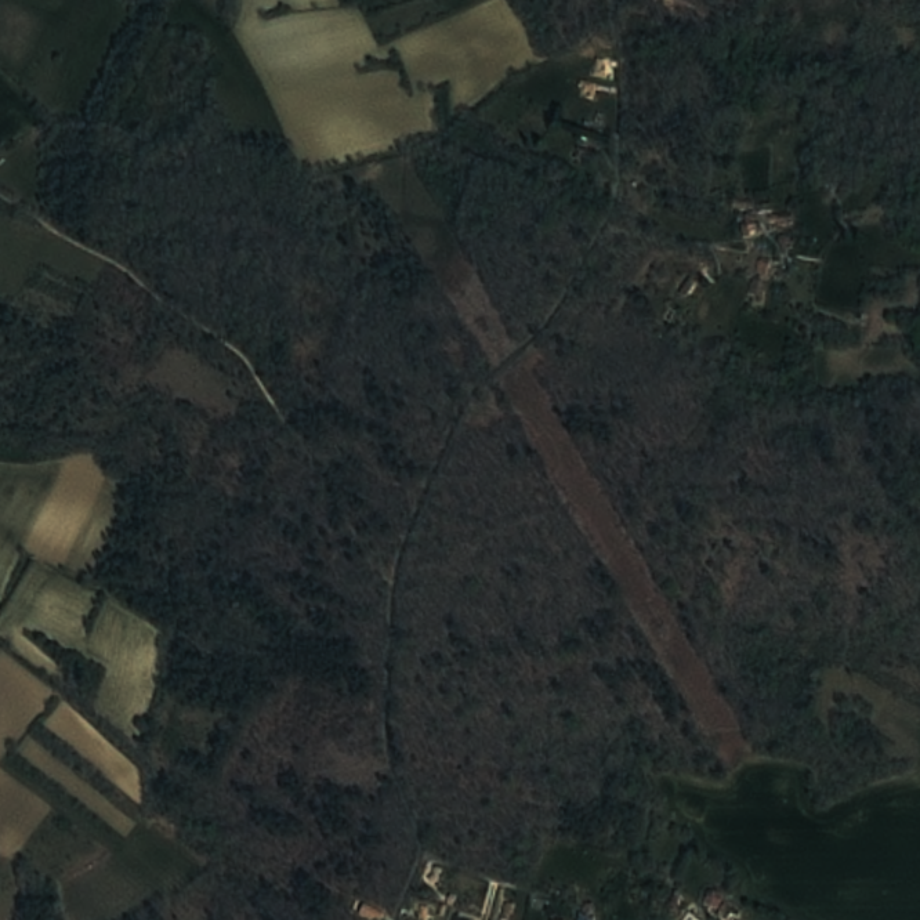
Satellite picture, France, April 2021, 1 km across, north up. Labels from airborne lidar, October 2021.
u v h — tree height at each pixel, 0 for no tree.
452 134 11
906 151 23
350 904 0
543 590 21
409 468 8
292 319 23
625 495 15
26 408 7
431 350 21
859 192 21
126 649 0
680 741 16
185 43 11
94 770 12
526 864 23
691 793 0
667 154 16
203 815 12
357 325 25
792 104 24
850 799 20
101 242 14
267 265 23
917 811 0
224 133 21
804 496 15
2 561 0
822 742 19
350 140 0
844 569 16
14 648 9
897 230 17
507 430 12
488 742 14
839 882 0
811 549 22
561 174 23
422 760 9
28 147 0
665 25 17
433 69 0
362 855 13
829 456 28
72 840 0
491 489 15
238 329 17
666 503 15
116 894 0
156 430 15
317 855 9
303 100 0
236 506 13
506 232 22
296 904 14
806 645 17
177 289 21
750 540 20
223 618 15
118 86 16
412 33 0
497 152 9
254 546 13
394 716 20
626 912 0
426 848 15
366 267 12
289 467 17
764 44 13
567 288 13
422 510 16
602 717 15
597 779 24
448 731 10
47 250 0
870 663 8
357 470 20
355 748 9
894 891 0
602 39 17
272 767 7
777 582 13
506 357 0
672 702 20
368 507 18
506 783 16
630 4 22
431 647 15
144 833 0
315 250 26
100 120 18
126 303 10
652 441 14
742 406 19
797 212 10
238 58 0
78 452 20
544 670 14
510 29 0
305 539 18
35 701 0
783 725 21
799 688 15
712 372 19
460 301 0
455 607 16
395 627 11
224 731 15
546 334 10
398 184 0
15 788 0
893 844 0
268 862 6
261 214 22
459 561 18
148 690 0
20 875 18
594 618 13
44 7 0
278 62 0
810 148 10
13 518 0
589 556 13
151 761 16
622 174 18
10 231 0
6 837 0
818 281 8
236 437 17
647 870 23
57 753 15
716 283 7
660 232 13
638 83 14
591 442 12
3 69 6
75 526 0
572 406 12
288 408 12
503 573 16
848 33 6
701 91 14
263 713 17
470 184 17
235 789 15
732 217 7
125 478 18
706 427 10
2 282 0
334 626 17
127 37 13
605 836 22
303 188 20
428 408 17
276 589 16
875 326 0
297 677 22
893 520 14
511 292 17
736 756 0
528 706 19
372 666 15
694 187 19
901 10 18
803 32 5
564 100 0
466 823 13
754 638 21
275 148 18
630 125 18
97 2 0
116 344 8
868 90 20
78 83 0
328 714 6
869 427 14
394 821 15
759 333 0
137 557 11
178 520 21
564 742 15
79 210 15
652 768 16
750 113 10
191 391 0
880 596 19
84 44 0
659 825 15
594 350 11
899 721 0
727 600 22
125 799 0
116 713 0
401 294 8
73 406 9
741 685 17
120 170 18
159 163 26
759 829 0
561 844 15
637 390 15
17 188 0
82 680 19
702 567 14
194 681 17
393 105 0
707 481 20
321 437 20
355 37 0
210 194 24
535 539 13
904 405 28
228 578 13
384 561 10
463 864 12
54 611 0
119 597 9
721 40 23
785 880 0
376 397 22
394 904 16
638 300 16
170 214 25
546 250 15
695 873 0
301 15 0
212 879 15
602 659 16
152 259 16
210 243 18
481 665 20
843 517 18
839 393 7
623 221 20
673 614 8
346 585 13
